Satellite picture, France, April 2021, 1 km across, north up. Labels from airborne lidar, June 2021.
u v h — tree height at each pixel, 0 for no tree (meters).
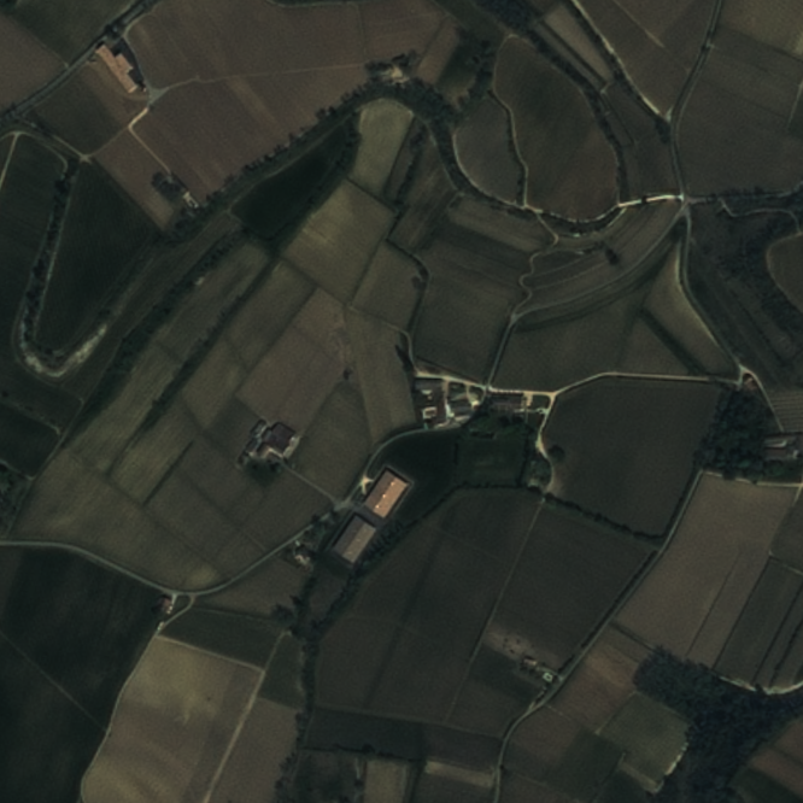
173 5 0
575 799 0
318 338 0
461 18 0
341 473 0
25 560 0
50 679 0
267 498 0
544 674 0
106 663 0
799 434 0
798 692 0
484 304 0
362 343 0
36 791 0
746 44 0
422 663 0
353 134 7
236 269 0
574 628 0
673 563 0
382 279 0
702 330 0
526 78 0
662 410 0
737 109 0
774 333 0
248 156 0
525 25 20
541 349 0
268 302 0
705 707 12
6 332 0
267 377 0
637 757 0
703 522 0
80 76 0
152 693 0
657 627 0
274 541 0
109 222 0
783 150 0
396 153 0
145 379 0
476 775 0
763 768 0
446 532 0
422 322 0
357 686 0
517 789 0
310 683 12
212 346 13
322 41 0
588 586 0
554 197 0
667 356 0
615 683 0
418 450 0
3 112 0
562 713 0
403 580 0
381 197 0
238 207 0
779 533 0
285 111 0
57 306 0
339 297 0
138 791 0
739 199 14
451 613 0
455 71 0
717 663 0
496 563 0
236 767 0
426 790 0
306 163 0
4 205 0
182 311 0
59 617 0
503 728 0
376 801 0
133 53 0
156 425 0
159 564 0
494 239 0
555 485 0
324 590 0
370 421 0
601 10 0
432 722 0
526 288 0
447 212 0
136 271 10
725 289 0
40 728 0
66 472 0
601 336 0
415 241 0
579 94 0
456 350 0
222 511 0
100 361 0
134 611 0
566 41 0
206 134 0
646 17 0
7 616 0
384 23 0
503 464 0
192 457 0
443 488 0
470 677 0
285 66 0
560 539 0
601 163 0
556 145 0
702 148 0
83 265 0
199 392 0
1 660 0
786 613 0
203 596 0
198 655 0
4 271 0
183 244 10
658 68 0
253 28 0
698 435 0
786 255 0
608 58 7
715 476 0
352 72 0
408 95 15
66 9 0
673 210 0
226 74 0
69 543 0
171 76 0
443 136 14
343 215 0
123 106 0
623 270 0
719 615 0
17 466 0
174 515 0
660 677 17
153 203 0
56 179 0
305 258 0
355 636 0
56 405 0
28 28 0
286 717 0
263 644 0
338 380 0
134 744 0
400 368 0
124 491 0
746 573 0
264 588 0
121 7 0
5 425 0
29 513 0
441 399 0
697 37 0
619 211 7
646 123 0
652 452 0
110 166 0
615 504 0
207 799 0
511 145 6
